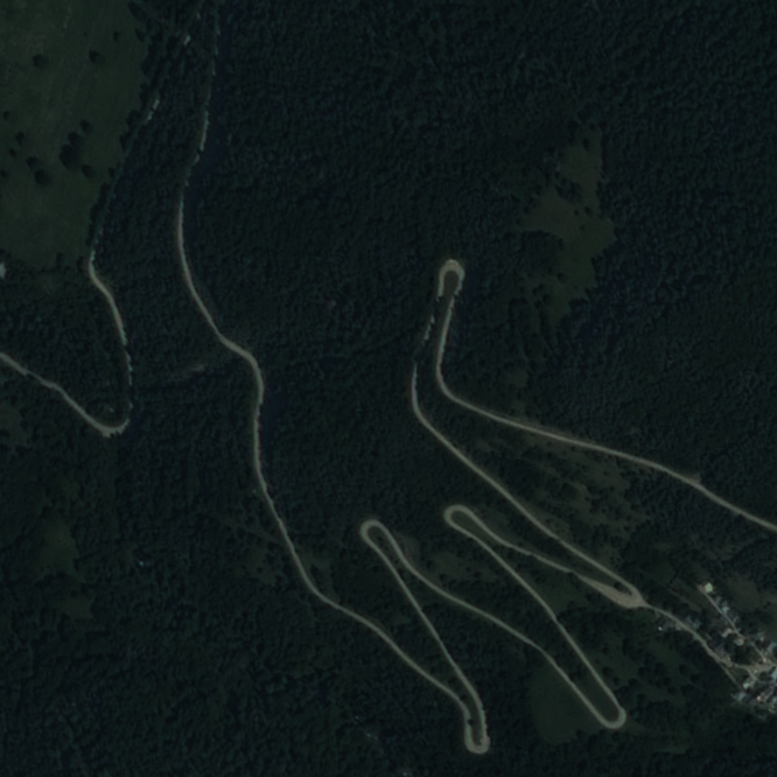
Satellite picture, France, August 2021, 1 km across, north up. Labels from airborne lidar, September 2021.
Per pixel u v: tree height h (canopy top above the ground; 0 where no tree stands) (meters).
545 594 0
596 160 0
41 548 23
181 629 27
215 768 31
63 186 0
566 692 0
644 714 18
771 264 18
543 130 6
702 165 25
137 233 20
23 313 17
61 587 25
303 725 26
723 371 28
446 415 14
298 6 33
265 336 15
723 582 10
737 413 27
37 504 23
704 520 16
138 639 30
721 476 25
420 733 13
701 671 8
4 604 26
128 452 14
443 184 14
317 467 22
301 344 18
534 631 15
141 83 0
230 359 6
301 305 31
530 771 13
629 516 7
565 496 13
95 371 24
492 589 7
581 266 0
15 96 0
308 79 26
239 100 28
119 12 0
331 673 10
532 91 9
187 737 29
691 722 14
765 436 24
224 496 29
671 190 18
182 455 28
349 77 27
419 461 18
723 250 31
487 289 26
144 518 28
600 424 19
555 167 12
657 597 26
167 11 15
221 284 21
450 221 19
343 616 13
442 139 21
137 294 22
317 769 33
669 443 17
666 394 31
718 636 12
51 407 22
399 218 20
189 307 18
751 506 19
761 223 24
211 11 13
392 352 13
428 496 13
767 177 30
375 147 26
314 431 31
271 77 36
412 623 6
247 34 35
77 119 0
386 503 17
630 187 14
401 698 24
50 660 26
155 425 27
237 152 29
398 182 18
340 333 24
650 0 10
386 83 28
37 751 27
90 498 20
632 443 17
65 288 7
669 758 19
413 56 17
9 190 0
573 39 21
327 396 32
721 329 24
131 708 30
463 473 12
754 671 0
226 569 25
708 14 24
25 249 0
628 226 12
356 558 16
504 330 18
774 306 21
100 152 0
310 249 32
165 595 21
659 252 30
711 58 27
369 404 17
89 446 24
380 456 23
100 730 21
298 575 12
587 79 23
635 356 19
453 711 12
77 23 0
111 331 24
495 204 21
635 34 25
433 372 13
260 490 0
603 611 6
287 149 31
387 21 28
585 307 23
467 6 28
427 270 29
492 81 25
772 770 31
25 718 27
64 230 0
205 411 27
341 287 22
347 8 30
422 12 9
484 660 30
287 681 22
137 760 27
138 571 22
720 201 27
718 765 29
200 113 16
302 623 25
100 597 22
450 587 7
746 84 17
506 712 8
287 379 18
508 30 16
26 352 22
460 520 0
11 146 0
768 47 16
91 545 23
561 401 14
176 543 17
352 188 27
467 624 14
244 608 33
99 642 25
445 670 14
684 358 23
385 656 18
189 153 26
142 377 7
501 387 15
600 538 13
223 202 29
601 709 0
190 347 24
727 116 20
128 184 19
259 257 26
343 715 16
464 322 9
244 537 18
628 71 12
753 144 22
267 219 29
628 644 15
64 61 0
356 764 23
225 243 28
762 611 10
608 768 22
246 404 27
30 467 19
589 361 26
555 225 0
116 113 0
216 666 37
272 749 23
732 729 6
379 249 12
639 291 32
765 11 23
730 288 23
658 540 10
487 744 0
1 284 11
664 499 12
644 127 25
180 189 17
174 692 20
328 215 33
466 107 15
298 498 19
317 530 12
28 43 0
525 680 15
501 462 19
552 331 20
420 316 18
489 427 12
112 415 7
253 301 19
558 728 0
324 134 31
